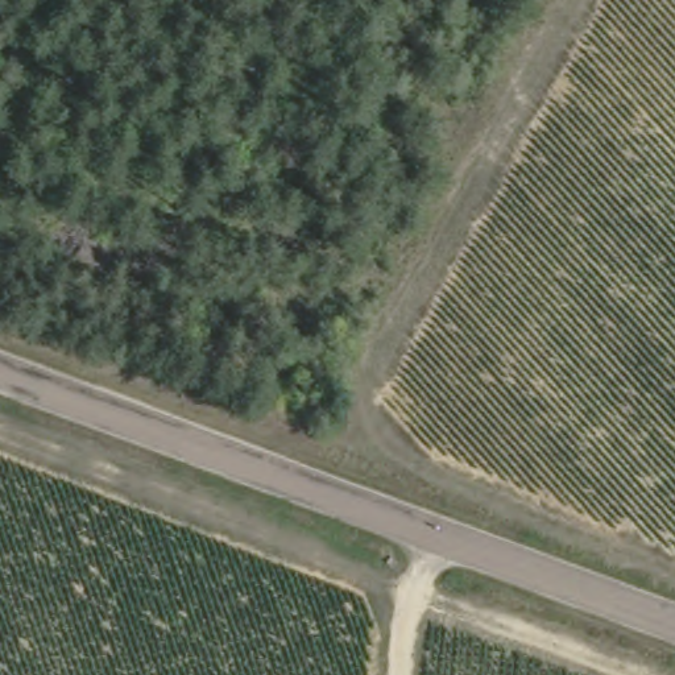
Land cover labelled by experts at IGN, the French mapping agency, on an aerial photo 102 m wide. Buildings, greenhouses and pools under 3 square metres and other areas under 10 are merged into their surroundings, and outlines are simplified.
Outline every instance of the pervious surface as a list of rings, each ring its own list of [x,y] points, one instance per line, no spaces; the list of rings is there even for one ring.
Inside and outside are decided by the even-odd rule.
[[[417,562],[411,562],[406,575],[398,580],[393,596],[396,606],[390,622],[388,675],[414,675],[414,646],[422,622],[427,601],[435,593],[438,575],[454,567],[446,556],[435,554],[425,554]]]

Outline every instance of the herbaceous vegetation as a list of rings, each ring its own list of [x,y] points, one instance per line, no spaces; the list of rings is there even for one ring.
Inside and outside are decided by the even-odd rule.
[[[322,580],[340,591],[356,593],[364,601],[372,625],[367,649],[367,675],[388,675],[390,622],[396,606],[393,596],[398,580],[406,575],[411,562],[403,546],[385,535],[295,506],[287,498],[277,498],[237,485],[227,477],[203,472],[185,461],[161,456],[142,446],[103,435],[71,419],[61,419],[40,409],[21,406],[0,396],[0,459],[40,472],[50,480],[61,480],[74,488],[98,493],[121,506],[158,517],[166,525],[192,530],[203,538],[253,554],[264,562]]]
[[[435,593],[427,601],[422,622],[430,620],[443,628],[467,630],[485,638],[488,643],[514,641],[525,654],[554,659],[556,664],[564,664],[567,670],[585,675],[675,675],[675,643],[628,630],[591,612],[570,609],[527,588],[454,567],[438,575]]]
[[[398,287],[393,287],[393,293],[385,298],[385,306],[380,308],[372,343],[367,345],[361,361],[356,396],[335,438],[308,438],[293,430],[287,422],[285,396],[261,409],[256,417],[237,419],[216,406],[203,406],[190,401],[187,396],[174,396],[171,390],[153,385],[145,377],[124,380],[113,364],[87,367],[87,361],[55,345],[32,345],[21,332],[13,332],[8,322],[0,322],[0,348],[55,367],[61,372],[76,374],[87,382],[124,390],[134,398],[190,417],[214,430],[237,435],[243,440],[293,456],[324,472],[369,485],[374,490],[440,512],[480,530],[519,541],[525,546],[541,548],[572,564],[588,567],[606,577],[638,585],[649,593],[675,601],[675,559],[667,556],[662,548],[643,546],[643,541],[635,533],[601,538],[591,530],[551,519],[525,504],[512,501],[501,493],[501,488],[490,483],[454,472],[446,464],[430,461],[427,454],[432,446],[427,446],[409,427],[406,411],[411,396],[398,388],[419,340],[425,338],[427,327],[432,324],[440,308],[443,295],[451,293],[451,285],[459,277],[464,256],[472,250],[480,229],[498,208],[496,203],[490,203],[490,198],[498,187],[501,169],[514,171],[525,161],[525,150],[533,142],[533,134],[543,129],[551,105],[559,103],[548,92],[551,87],[543,79],[551,71],[551,63],[562,50],[564,40],[575,40],[580,29],[585,29],[596,0],[548,0],[538,21],[525,21],[519,34],[506,37],[496,47],[490,69],[485,71],[485,95],[480,103],[443,103],[443,95],[419,95],[419,105],[430,111],[430,127],[438,137],[440,166],[451,174],[451,179],[432,211],[432,232],[427,237],[419,237],[419,245],[411,253]]]

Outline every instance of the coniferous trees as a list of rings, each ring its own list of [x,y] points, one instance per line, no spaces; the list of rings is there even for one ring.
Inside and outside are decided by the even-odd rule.
[[[393,287],[398,287],[411,253],[419,245],[419,237],[427,237],[432,232],[432,211],[451,179],[451,174],[440,166],[438,137],[430,127],[430,111],[419,105],[419,95],[443,95],[443,103],[480,103],[485,95],[485,71],[490,69],[496,47],[506,37],[519,34],[525,21],[538,21],[548,0],[0,0],[0,322],[8,322],[13,332],[21,332],[32,345],[55,345],[87,361],[87,367],[113,364],[124,380],[145,377],[153,385],[171,390],[174,396],[187,396],[190,401],[203,406],[216,406],[237,419],[256,417],[261,409],[285,396],[287,422],[293,430],[308,438],[335,438],[356,396],[361,361],[367,345],[372,343],[380,308],[385,306],[385,298],[393,293]]]

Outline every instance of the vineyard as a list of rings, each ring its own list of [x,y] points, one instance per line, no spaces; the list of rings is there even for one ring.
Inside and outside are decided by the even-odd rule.
[[[406,411],[409,427],[427,446],[432,446],[427,454],[430,461],[446,464],[454,472],[490,483],[501,488],[501,493],[512,501],[525,504],[551,519],[591,530],[601,538],[635,533],[643,541],[643,546],[662,548],[667,556],[675,559],[675,0],[596,0],[585,29],[580,29],[575,40],[564,40],[562,50],[551,63],[551,71],[543,79],[551,87],[548,92],[559,103],[551,105],[543,129],[533,134],[533,142],[525,150],[525,161],[514,171],[501,169],[498,187],[490,198],[490,203],[496,203],[498,208],[480,229],[472,250],[464,256],[459,277],[451,285],[451,293],[443,295],[440,308],[432,324],[427,327],[425,338],[419,340],[398,388],[411,396]]]
[[[585,675],[567,670],[564,664],[556,664],[554,659],[525,654],[514,641],[488,643],[485,638],[467,630],[443,628],[430,620],[422,622],[414,646],[414,675]]]
[[[192,530],[166,525],[158,517],[121,506],[98,493],[74,488],[61,480],[50,480],[40,472],[0,459],[0,675],[367,675],[367,649],[372,625],[364,601],[356,593],[340,591],[322,580],[264,562],[253,554],[203,538]]]

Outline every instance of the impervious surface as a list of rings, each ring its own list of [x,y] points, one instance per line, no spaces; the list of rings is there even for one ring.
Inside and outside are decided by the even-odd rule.
[[[71,419],[103,435],[142,446],[161,456],[185,461],[203,472],[227,477],[237,485],[277,498],[287,498],[295,506],[385,535],[403,546],[411,562],[417,562],[425,554],[435,554],[446,556],[454,567],[527,588],[570,609],[591,612],[628,630],[675,643],[675,601],[649,593],[638,585],[606,577],[588,567],[572,564],[541,548],[525,546],[519,541],[480,530],[440,512],[374,490],[369,485],[324,472],[293,456],[243,440],[237,435],[214,430],[190,417],[134,398],[124,390],[87,382],[76,374],[61,372],[55,367],[0,348],[0,396],[21,406],[40,409],[61,419]]]

